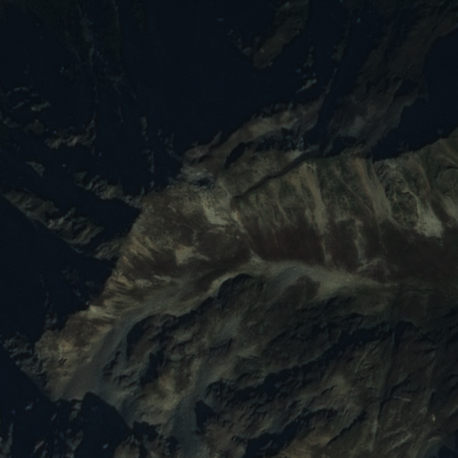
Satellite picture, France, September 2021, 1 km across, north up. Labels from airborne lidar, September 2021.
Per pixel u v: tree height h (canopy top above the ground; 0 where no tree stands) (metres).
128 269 0
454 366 0
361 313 0
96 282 0
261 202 0
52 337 0
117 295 0
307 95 0
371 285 0
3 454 0
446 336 0
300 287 0
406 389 0
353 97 0
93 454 0
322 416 0
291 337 0
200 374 0
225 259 0
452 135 0
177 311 0
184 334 0
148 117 0
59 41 0
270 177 0
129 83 0
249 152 0
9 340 0
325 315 0
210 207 0
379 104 0
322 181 0
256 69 0
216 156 0
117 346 0
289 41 0
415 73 0
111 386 0
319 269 0
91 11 0
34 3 0
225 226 0
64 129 0
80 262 0
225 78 0
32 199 0
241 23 0
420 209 0
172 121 0
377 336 0
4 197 0
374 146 0
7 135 0
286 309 0
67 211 14
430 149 0
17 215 0
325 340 0
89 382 0
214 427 0
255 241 0
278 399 0
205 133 0
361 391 0
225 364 0
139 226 0
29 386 0
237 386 0
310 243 0
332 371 0
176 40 0
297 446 0
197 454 0
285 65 0
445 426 0
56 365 0
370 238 0
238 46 0
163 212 0
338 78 0
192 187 0
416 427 0
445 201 0
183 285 0
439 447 0
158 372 0
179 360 0
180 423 0
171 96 0
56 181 0
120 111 0
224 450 0
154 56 0
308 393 0
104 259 0
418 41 0
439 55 0
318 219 0
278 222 0
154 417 0
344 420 0
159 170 0
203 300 0
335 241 0
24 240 0
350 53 0
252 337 0
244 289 0
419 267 0
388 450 0
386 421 0
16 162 0
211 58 0
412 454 0
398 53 0
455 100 0
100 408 0
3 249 0
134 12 0
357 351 0
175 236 0
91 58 0
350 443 0
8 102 0
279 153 0
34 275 0
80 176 0
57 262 0
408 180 0
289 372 0
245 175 0
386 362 0
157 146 0
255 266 0
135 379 0
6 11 0
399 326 0
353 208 0
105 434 0
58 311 0
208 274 0
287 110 0
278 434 0
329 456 0
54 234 0
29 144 0
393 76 0
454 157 0
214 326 0
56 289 0
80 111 0
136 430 0
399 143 0
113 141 0
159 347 0
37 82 0
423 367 0
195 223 0
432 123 0
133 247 0
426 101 0
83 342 0
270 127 0
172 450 0
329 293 0
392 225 0
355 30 0
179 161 0
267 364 0
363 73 0
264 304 0
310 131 0
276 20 0
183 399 0
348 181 0
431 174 0
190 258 0
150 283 0
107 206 0
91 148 0
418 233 0
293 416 0
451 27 0
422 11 0
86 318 0
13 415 0
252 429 0
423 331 0
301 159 0
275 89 0
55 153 0
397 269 0
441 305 0
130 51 0
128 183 0
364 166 0
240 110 0
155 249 0
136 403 0
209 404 0
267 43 0
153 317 0
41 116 0
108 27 0
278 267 0
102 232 0
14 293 0
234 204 0
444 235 0
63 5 0
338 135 0
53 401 0
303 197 0
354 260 0
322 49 0
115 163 0
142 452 0
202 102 0
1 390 0
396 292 0
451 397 0
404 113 0
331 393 0
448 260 0
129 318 0
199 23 0
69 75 0
